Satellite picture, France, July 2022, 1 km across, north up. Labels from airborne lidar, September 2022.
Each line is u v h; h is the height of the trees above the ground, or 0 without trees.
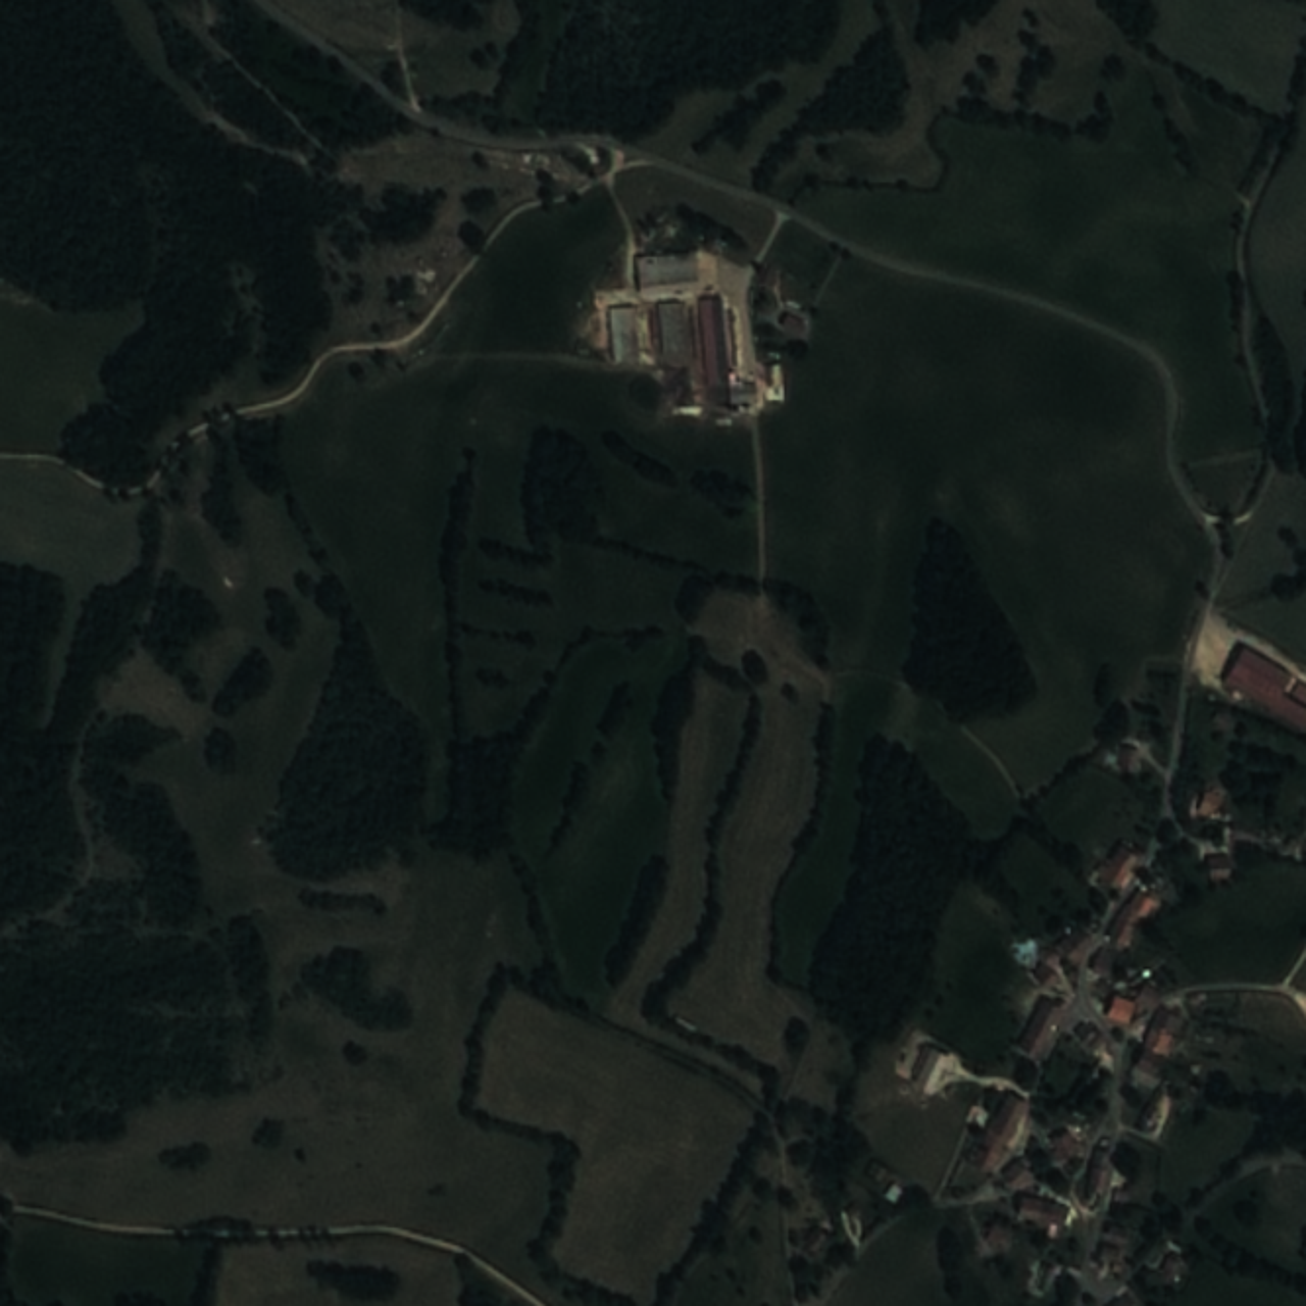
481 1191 0
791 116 0
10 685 10
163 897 8
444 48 0
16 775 15
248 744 0
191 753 0
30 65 12
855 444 0
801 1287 10
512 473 0
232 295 9
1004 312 0
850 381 0
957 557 20
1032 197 0
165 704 0
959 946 0
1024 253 0
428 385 0
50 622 9
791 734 0
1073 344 0
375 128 11
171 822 10
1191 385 0
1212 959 0
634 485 0
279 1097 0
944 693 17
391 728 10
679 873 0
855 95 11
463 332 0
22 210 9
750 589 8
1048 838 6
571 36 12
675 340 0
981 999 0
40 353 0
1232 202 0
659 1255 0
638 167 0
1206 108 0
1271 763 18
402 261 0
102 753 8
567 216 0
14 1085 7
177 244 7
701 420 0
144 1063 10
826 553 0
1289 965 0
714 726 0
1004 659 22
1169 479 0
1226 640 0
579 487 23
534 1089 0
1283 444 17
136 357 17
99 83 14
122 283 13
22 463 0
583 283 0
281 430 8
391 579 0
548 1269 11
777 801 0
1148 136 0
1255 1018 0
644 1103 0
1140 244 0
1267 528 0
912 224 0
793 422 0
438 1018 0
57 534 0
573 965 0
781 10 13
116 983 11
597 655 0
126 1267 0
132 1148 0
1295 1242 0
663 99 13
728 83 18
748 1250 0
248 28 12
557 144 0
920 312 0
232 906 0
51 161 10
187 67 11
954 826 16
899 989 16
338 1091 0
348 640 13
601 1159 0
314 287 14
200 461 0
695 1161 0
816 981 17
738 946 0
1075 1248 6
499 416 0
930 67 0
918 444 0
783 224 0
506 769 15
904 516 0
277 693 0
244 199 9
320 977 8
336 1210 0
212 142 8
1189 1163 0
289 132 8
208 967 9
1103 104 13
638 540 0
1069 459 0
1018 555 0
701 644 13
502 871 0
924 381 0
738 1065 13
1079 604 0
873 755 16
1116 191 0
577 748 0
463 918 0
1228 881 8
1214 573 0
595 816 0
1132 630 0
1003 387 0
